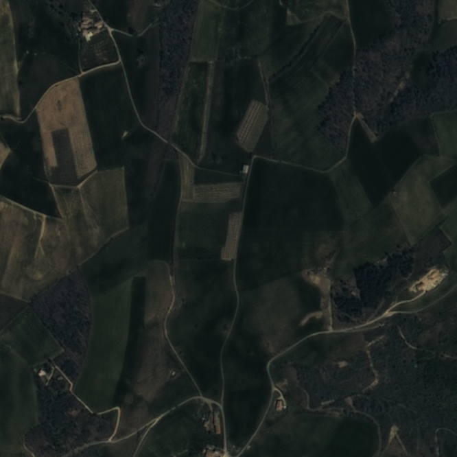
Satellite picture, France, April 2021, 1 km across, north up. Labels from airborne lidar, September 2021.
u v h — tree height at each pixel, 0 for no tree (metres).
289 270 0
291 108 0
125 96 0
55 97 0
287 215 0
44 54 0
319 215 0
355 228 0
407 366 7
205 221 0
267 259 0
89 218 0
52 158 0
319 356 0
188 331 0
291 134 0
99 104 0
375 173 0
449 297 0
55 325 13
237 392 0
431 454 7
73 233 0
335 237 0
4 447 0
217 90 0
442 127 0
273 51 0
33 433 7
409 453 0
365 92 16
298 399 0
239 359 0
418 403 14
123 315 0
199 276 0
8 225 0
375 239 0
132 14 0
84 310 10
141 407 0
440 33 0
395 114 6
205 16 0
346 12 0
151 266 0
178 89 7
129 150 0
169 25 14
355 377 6
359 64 9
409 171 0
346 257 0
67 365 9
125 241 0
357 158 0
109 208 0
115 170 0
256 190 0
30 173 0
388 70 11
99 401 0
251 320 0
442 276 0
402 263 10
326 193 0
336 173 0
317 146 0
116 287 0
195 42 0
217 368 0
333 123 12
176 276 0
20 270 0
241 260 0
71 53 0
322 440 0
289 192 0
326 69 0
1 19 0
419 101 10
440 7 0
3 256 0
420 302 0
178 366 0
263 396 0
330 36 0
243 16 0
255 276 0
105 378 0
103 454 0
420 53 0
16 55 0
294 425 0
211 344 0
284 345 0
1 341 0
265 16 0
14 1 0
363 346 0
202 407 0
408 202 0
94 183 0
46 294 12
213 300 0
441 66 9
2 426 0
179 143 0
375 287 18
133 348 0
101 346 0
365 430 0
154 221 0
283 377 0
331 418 0
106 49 0
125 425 0
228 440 0
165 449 0
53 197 0
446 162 0
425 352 8
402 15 12
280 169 0
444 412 11
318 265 0
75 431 9
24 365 0
